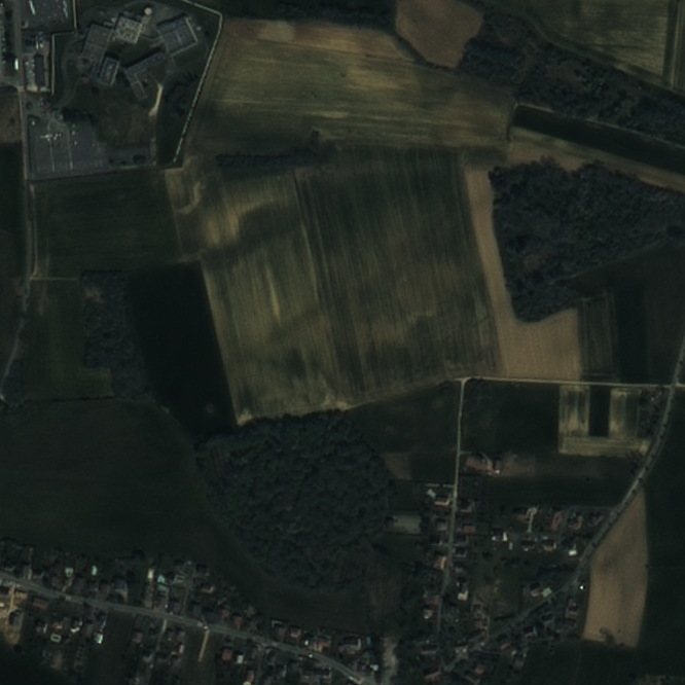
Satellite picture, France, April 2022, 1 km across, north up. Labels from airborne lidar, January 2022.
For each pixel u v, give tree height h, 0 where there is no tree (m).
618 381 0
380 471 21
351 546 13
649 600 0
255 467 22
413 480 0
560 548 0
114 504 0
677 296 0
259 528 22
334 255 0
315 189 0
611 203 19
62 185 0
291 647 0
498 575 0
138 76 0
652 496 0
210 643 0
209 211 0
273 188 0
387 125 0
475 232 0
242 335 0
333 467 27
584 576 0
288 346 0
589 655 0
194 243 0
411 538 0
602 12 0
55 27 0
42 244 0
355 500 25
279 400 0
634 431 0
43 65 0
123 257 0
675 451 0
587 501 0
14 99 0
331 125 0
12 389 5
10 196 0
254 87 0
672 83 0
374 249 0
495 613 0
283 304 0
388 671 0
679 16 0
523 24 6
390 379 0
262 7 0
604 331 0
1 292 0
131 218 0
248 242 0
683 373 0
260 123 0
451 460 0
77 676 15
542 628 15
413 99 0
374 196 0
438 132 0
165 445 0
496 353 0
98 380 0
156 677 0
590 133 0
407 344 0
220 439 16
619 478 0
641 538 0
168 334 0
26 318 13
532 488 0
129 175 0
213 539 0
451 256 0
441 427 0
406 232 0
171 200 0
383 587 0
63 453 0
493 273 0
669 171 0
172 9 0
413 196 0
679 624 0
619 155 0
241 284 0
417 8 0
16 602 0
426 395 0
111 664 0
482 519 5
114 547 0
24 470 0
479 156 0
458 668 5
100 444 0
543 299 6
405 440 0
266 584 0
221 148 0
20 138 0
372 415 0
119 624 0
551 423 0
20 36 0
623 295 0
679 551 0
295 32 0
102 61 0
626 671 0
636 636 0
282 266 0
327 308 0
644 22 0
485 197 0
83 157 0
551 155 0
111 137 0
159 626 0
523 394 0
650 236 7
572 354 0
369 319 0
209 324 0
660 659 0
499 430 0
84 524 0
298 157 18
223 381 0
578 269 13
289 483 27
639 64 0
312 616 0
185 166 0
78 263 0
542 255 0
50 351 0
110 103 0
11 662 0
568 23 0
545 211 18
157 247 0
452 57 0
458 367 0
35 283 0
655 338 0
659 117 30
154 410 0
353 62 0
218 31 0
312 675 0
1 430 0
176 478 0
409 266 0
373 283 0
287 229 0
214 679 0
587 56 0
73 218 0
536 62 0
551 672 0
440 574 6
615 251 13
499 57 22
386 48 0
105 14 0
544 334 0
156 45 0
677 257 0
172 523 0
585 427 0
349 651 0
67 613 0
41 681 0
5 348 0
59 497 0
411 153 0
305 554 25
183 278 0
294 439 25
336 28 0
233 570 0
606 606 0
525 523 0
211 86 0
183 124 0
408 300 0
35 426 0
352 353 0
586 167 9
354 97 0
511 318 0
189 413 0
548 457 0
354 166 0
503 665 0
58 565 10
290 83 0
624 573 0
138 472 0
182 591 0
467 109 0
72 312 0
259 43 0
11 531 0
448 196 0
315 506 20
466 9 0
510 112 0
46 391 0
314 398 0
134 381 15
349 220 0
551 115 0
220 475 0
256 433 22
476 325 0
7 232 0
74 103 0
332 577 20
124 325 11
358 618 0
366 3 0
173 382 0
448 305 0
